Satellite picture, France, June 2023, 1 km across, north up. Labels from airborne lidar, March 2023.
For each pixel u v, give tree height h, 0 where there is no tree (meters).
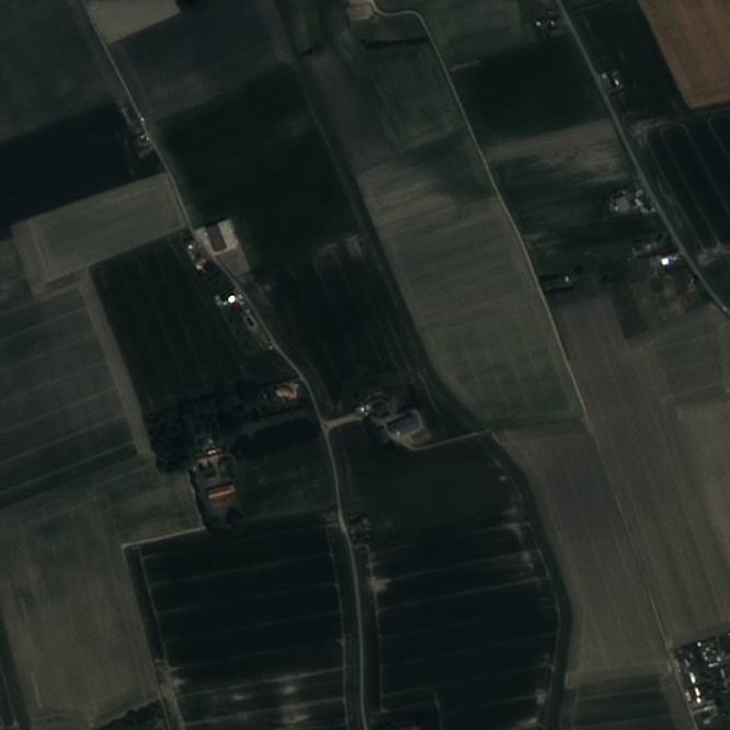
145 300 0
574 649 0
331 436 0
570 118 0
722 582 0
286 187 0
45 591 0
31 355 0
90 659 0
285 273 0
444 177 0
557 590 0
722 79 0
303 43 0
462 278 0
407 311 0
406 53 0
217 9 0
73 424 0
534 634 0
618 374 0
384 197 0
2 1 0
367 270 0
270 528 0
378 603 0
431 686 0
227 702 0
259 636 0
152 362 0
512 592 0
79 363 0
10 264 0
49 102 0
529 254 0
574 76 0
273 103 0
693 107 0
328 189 0
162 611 0
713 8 0
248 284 0
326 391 0
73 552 0
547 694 0
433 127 0
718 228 0
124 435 0
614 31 0
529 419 0
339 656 0
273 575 0
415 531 0
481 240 0
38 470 0
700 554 0
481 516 0
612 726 0
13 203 0
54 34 0
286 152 0
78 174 0
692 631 0
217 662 0
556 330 0
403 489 0
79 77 0
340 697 0
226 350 0
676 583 0
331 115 0
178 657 0
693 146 0
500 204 0
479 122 0
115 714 0
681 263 0
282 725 0
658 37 0
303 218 0
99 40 0
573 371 0
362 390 0
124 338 0
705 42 0
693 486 0
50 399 0
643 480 0
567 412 0
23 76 0
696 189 0
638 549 0
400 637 0
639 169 0
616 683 0
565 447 0
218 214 0
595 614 0
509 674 0
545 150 0
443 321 0
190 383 0
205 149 0
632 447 0
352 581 0
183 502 0
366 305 0
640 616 0
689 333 0
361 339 0
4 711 0
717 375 0
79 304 0
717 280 0
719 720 0
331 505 0
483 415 0
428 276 0
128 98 0
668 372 0
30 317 0
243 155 0
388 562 0
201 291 0
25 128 0
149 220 0
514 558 0
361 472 0
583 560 0
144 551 0
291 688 0
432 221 0
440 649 0
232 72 0
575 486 0
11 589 0
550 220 0
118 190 0
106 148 0
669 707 0
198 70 0
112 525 0
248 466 0
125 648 0
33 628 0
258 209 0
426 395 0
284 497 0
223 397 28
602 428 0
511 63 0
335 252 0
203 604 0
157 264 0
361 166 0
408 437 0
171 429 7
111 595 0
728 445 0
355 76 0
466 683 0
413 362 0
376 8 0
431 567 0
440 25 0
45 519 0
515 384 0
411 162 0
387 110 0
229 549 0
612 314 0
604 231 0
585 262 0
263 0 0
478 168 0
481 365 0
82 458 0
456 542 0
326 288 0
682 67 0
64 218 0
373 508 0
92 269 0
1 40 0
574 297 0
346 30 0
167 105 0
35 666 0
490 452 0
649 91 0
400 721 0
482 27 0
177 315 0
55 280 0
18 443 0
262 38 0
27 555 0
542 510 0
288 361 0
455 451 0
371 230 0
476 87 0
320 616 0
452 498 0
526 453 0
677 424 0
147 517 0
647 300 0
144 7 0
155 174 0
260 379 0
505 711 0
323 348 0
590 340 0
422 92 0
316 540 0
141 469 0
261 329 0
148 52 0
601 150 0
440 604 0
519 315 0
